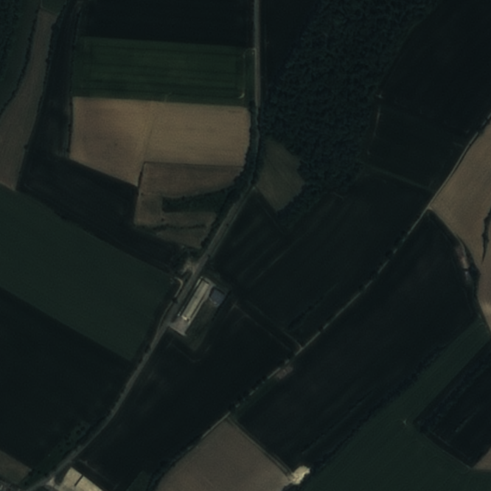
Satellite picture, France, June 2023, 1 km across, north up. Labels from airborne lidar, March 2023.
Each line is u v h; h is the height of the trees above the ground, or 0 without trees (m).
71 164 0
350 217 0
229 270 0
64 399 0
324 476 0
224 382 0
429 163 0
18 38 0
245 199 0
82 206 0
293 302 0
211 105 0
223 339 0
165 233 0
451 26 0
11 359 0
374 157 0
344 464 0
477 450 0
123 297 0
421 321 0
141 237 0
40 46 0
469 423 0
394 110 0
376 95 0
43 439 0
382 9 25
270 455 0
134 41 0
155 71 0
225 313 0
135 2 0
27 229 0
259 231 0
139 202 0
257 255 0
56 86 0
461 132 0
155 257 0
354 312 0
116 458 0
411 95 0
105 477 0
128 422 0
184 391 0
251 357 0
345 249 0
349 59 9
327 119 7
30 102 0
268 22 0
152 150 0
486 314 0
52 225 0
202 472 0
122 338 0
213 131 0
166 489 0
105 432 0
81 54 0
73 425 0
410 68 0
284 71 18
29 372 0
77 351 0
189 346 0
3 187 0
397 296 0
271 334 0
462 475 0
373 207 0
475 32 0
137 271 0
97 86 0
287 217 22
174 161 0
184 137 0
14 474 0
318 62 25
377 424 0
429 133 0
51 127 0
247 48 0
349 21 22
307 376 0
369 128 0
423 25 0
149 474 0
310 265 0
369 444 0
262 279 0
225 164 0
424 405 0
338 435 0
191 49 0
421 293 0
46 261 0
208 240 11
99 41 0
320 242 0
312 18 18
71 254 0
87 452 0
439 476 0
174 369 0
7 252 0
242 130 0
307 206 18
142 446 0
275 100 10
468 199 0
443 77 0
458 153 0
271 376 0
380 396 0
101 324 0
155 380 0
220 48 0
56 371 0
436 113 0
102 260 0
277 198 0
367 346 0
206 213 0
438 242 0
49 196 0
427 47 0
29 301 0
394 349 0
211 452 0
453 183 0
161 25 0
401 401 0
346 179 20
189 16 0
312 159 18
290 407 0
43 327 0
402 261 0
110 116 0
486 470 0
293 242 0
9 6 25
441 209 0
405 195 0
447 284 0
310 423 0
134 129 0
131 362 0
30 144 0
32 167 0
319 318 0
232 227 0
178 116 0
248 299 0
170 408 0
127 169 0
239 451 0
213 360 0
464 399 0
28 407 0
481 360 0
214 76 0
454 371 0
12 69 0
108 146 0
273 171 0
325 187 19
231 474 0
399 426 0
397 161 0
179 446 0
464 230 0
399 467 0
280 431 0
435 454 0
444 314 0
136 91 0
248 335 0
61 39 0
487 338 0
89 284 0
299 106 26
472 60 0
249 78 0
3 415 0
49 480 0
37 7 0
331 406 0
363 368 0
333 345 0
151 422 0
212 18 0
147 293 0
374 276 15
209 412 0
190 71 0
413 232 0
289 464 0
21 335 0
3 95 0
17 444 0
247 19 0
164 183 0
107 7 0
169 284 0
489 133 0
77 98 0
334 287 0
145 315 0
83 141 0
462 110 0
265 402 0
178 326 0
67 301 0
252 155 15
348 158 25
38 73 0
